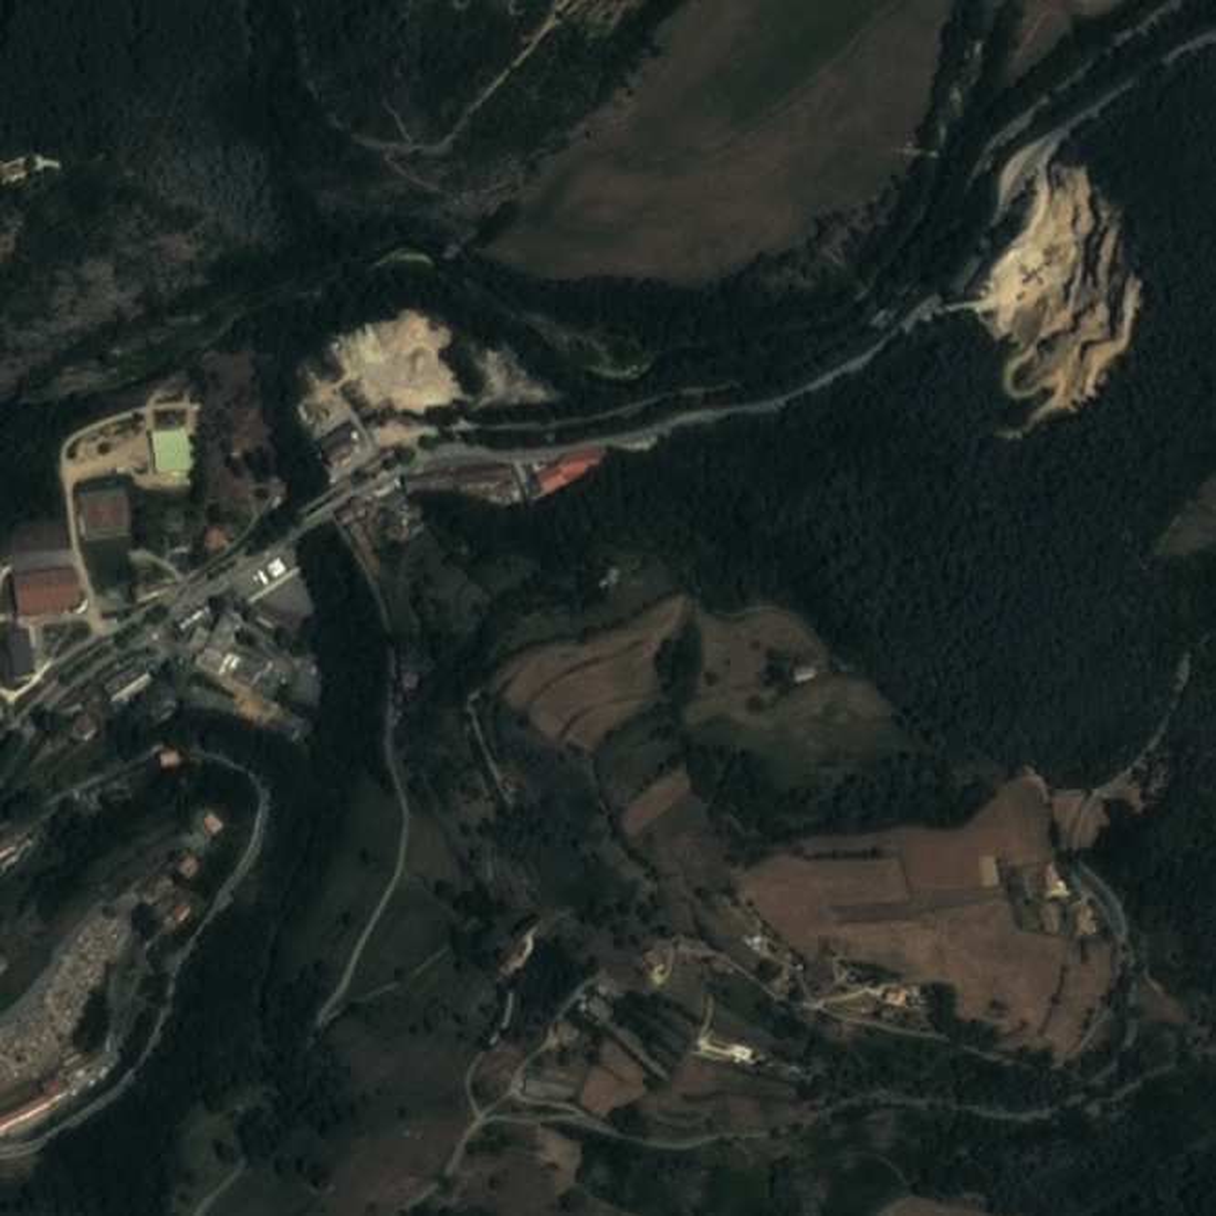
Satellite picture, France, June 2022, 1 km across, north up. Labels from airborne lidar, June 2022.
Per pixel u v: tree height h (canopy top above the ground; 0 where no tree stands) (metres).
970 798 11
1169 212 13
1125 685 14
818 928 0
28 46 25
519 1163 0
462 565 10
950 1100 11
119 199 11
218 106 14
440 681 12
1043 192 0
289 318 20
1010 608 23
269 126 9
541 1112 7
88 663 12
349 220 10
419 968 0
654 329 9
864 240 17
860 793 11
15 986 0
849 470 18
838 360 22
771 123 0
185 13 23
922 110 0
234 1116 13
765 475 15
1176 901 14
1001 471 21
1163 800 8
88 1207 19
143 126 16
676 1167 10
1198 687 15
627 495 9
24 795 6
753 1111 0
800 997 13
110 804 17
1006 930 0
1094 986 0
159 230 13
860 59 0
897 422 12
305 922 14
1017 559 14
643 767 0
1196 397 15
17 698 0
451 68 15
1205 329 25
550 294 21
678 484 9
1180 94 19
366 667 23
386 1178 0
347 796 24
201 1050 13
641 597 0
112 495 0
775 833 10
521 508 20
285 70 16
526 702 0
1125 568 16
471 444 24
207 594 0
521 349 14
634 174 0
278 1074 25
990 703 16
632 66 6
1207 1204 20
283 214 15
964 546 16
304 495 22
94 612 0
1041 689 15
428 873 0
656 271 0
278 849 13
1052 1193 12
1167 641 13
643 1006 11
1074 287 0
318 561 20
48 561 0
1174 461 27
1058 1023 0
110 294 0
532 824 12
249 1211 0
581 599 10
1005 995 0
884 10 0
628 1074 0
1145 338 12
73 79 31
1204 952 17
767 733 0
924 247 23
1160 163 12
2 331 6
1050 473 27
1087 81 11
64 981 0
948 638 20
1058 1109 14
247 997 16
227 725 20
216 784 16
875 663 9
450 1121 0
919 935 0
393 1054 0
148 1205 22
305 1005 11
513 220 20
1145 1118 17
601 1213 0
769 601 6
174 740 20
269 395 10
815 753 0
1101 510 25
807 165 0
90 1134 14
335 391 0
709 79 0
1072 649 18
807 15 0
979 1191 17
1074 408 0
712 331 21
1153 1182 16
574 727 0
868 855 8
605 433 14
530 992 14
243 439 0
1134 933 8
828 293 7
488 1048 12
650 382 18
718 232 0
